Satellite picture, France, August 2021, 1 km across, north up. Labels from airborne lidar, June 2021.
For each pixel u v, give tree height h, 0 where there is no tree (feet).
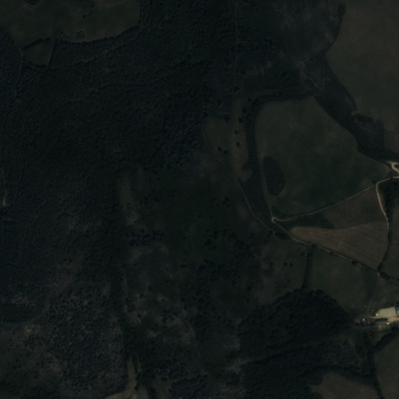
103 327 64
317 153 0
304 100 0
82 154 69
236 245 24
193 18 54
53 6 0
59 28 0
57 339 23
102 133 65
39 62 0
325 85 0
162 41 59
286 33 0
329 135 0
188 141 35
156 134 83
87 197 67
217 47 46
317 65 0
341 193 0
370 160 0
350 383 0
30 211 62
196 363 0
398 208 0
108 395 24
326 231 0
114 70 28
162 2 80
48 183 27
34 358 0
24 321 49
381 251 0
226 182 0
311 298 60
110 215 70
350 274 0
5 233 75
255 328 71
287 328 63
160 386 0
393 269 0
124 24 0
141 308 0
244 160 0
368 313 0
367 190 0
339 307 39
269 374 76
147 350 29
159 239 49
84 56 47
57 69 60
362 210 0
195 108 45
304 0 0
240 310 0
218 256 0
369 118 0
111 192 75
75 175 54
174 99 90
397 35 0
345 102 0
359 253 0
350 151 0
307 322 62
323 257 0
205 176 0
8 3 0
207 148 0
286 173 0
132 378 0
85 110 53
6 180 31
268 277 0
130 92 70
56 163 66
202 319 39
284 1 0
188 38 58
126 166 57
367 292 0
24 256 55
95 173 56
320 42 0
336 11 0
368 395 0
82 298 45
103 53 31
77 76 61
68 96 56
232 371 23
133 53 45
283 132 0
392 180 25
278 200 0
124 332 39
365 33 0
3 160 44
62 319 43
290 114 0
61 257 42
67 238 53
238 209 0
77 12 0
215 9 61
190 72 78
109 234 69
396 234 0
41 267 49
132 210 0
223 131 0
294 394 32
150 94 51
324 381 0
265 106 0
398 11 0
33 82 73
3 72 94
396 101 0
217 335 0
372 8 0
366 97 0
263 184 0
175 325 0
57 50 59
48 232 67
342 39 0
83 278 29
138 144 91
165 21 53
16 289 64
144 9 40
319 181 0
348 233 0
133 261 0
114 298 54
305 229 0
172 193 22
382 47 0
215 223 0
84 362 43
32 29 0
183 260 0
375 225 0
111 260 55
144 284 0
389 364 0
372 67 0
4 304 59
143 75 63
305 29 0
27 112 65
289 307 43
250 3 18
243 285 0
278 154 0
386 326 0
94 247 50
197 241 0
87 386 54
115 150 31
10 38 52
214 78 0
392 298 0
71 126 76
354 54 0
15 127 53
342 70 0
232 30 22
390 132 0
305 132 0
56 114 65
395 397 0
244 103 0
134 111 50
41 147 73
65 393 0
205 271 48
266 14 0
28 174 49
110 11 0
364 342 19
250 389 46
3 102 101
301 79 0
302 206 0
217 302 0
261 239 0
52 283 32
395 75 0
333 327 45
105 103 64
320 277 0
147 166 20
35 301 44
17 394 28
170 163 19
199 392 56
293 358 59
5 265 73
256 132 0
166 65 56
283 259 0
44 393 43
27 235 52
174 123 33
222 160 0
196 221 0
